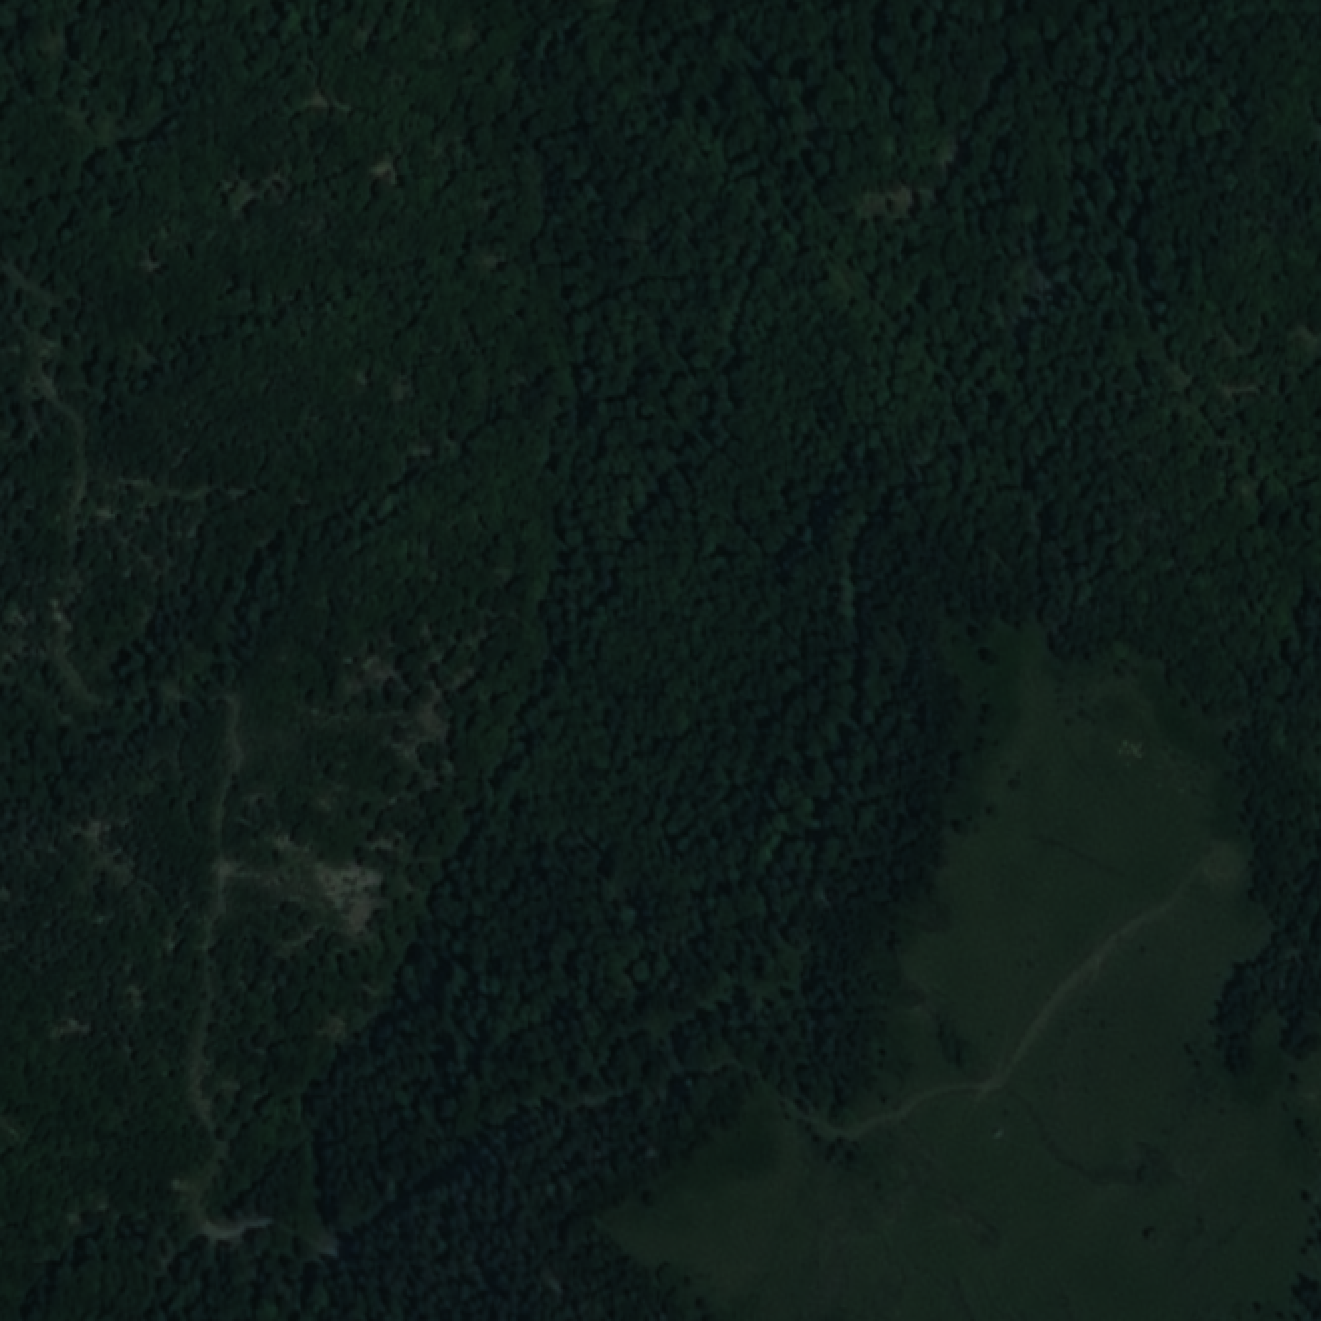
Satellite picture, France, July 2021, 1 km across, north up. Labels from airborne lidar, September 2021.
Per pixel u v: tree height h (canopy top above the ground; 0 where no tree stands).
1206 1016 0
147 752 20
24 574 18
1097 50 26
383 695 11
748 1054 21
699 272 14
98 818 20
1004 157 28
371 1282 31
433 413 18
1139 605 21
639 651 21
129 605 28
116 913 20
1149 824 0
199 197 24
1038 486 29
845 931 16
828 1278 0
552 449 25
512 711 33
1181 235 27
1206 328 28
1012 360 26
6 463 27
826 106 32
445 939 30
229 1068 24
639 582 26
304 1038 23
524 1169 20
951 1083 0
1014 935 0
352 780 13
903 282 28
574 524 13
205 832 23
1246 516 27
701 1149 11
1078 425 18
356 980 26
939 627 16
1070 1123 0
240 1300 26
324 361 23
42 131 38
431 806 29
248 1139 23
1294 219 15
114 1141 18
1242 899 0
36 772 18
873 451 23
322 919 8
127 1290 25
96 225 25
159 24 26
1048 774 0
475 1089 22
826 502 11
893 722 24
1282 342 33
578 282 23
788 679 30
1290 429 32
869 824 23
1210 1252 0
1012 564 17
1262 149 8
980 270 29
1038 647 0
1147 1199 0
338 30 26
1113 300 27
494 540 7
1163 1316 0
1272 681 27
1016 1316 0
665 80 27
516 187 18
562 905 23
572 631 14
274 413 22
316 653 15
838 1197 0
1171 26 27
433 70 19
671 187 21
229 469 26
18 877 25
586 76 17
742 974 32
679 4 9
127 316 24
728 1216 0
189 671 30
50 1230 27
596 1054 7
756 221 11
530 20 8
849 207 26
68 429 18
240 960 24
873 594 19
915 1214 0
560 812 30
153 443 17
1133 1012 0
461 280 23
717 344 17
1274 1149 0
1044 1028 0
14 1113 19
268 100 13
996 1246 0
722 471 27
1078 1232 0
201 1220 0
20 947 14
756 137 18
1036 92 20
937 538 17
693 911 21
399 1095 18
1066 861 0
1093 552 27
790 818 18
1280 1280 0
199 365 23
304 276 25
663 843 23
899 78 29
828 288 20
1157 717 0
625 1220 0
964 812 0
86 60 25
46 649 29
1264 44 14
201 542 20
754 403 23
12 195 26
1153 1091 0
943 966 0
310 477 23
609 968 26
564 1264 24
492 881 25
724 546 29
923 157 17
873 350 16
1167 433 22
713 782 21
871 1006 12
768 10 25
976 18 14
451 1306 18
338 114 21
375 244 13
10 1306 25
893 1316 0
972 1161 0
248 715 8
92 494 13
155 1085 25
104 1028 23
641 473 23
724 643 25
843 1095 28
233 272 26
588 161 24
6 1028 14
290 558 27
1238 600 23
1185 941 0
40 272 25
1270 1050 0
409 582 17
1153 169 26
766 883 19
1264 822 14
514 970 35
